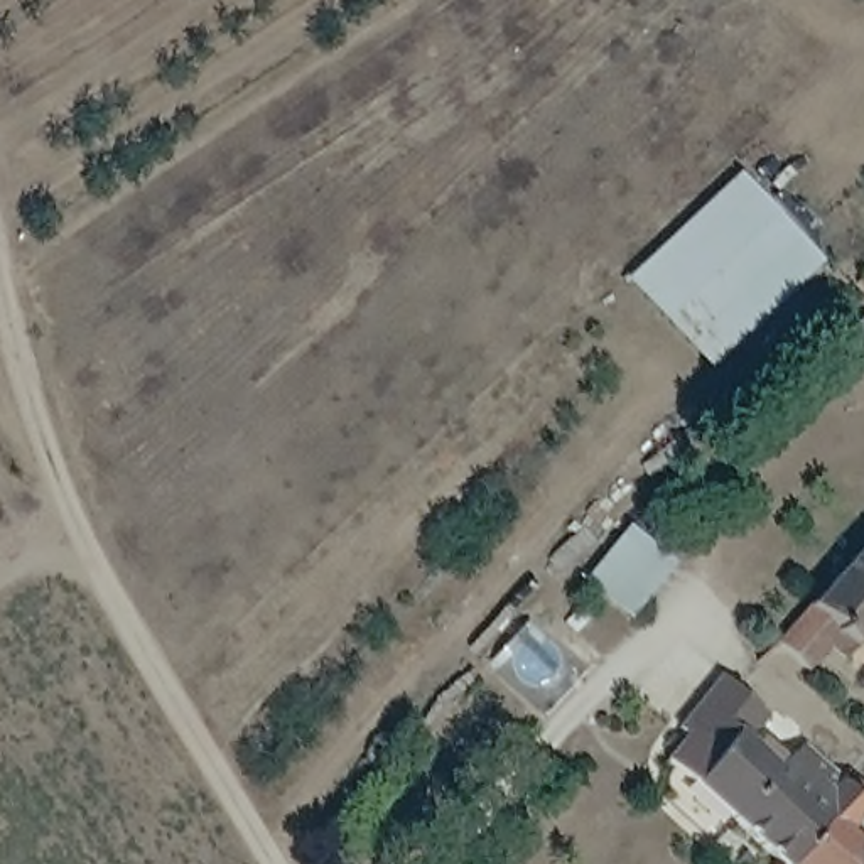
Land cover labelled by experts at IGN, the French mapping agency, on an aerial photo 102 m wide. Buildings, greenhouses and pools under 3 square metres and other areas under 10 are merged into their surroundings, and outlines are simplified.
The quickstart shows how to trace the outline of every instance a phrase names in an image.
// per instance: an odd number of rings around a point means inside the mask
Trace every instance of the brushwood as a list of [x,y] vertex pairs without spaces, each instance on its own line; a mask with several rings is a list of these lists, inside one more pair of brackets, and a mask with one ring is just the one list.
[[665,800],[675,793],[675,759],[675,753],[685,743],[685,732],[675,729],[668,732],[665,749],[658,753],[655,780]]
[[608,729],[631,732],[638,729],[645,699],[631,682],[621,678],[611,692],[611,702],[594,712],[597,719]]

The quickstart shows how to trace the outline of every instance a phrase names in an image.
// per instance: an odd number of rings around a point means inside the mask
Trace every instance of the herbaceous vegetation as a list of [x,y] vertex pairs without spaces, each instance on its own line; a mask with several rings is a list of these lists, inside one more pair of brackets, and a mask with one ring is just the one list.
[[797,439],[790,439],[790,446],[780,456],[759,466],[759,479],[770,486],[770,496],[783,503],[773,523],[756,523],[739,537],[719,537],[709,554],[678,554],[678,564],[665,581],[672,587],[689,570],[695,570],[709,581],[716,597],[736,614],[739,628],[749,618],[763,618],[763,594],[770,594],[776,581],[783,581],[786,574],[793,574],[797,564],[803,564],[817,567],[813,587],[783,618],[783,635],[807,614],[810,604],[817,604],[830,591],[840,570],[864,550],[864,378],[851,392],[827,402],[813,425],[807,425]]
[[439,732],[452,746],[466,746],[469,753],[479,749],[486,739],[496,739],[503,726],[533,729],[537,722],[533,716],[513,716],[510,709],[503,709],[500,695],[483,678],[489,672],[489,662],[523,628],[550,651],[574,651],[587,672],[601,668],[624,638],[631,638],[641,628],[635,614],[624,614],[621,608],[608,604],[604,614],[587,618],[574,614],[567,604],[570,594],[597,581],[597,567],[614,550],[614,543],[631,527],[645,530],[645,513],[651,500],[668,479],[675,479],[668,459],[695,459],[695,442],[702,439],[702,412],[712,412],[719,425],[726,425],[732,419],[732,392],[739,385],[753,385],[763,365],[776,365],[780,344],[793,341],[793,334],[807,324],[813,311],[830,311],[830,300],[844,294],[844,284],[864,294],[864,230],[851,226],[844,233],[820,233],[813,240],[827,257],[824,270],[803,284],[786,287],[776,307],[763,314],[759,324],[749,334],[743,334],[739,344],[729,348],[719,361],[705,358],[689,378],[678,381],[678,405],[668,415],[651,415],[638,435],[624,439],[624,446],[611,459],[611,469],[587,489],[584,503],[564,516],[560,533],[550,540],[550,547],[540,557],[530,557],[523,564],[523,574],[493,601],[493,608],[469,628],[469,635],[452,645],[449,655],[459,665],[442,682],[435,682],[419,705],[412,705],[408,719],[425,719],[429,732]]
[[830,763],[851,763],[864,773],[864,736],[830,709],[830,702],[817,689],[803,682],[803,668],[810,668],[800,648],[783,641],[773,645],[766,658],[753,655],[739,672],[763,699],[770,719],[793,719],[800,729],[797,736],[803,736],[810,746],[820,749]]
[[[213,138],[219,138],[246,115],[267,108],[270,101],[304,84],[314,71],[344,61],[371,34],[405,20],[422,0],[388,0],[358,24],[351,24],[334,47],[321,47],[311,37],[307,24],[317,7],[331,7],[338,0],[273,0],[270,17],[246,17],[243,37],[230,37],[216,17],[216,3],[236,10],[250,7],[253,0],[41,0],[41,10],[24,17],[10,37],[0,37],[0,209],[14,223],[7,230],[7,243],[14,257],[14,287],[20,300],[24,294],[44,290],[41,277],[57,263],[54,246],[61,246],[71,233],[98,219],[101,213],[122,206],[128,196],[145,192],[162,172],[182,165],[192,152],[206,149]],[[192,81],[172,88],[159,81],[155,61],[159,51],[186,54],[189,27],[206,30],[209,57],[203,61]],[[132,95],[132,105],[118,111],[101,135],[74,149],[51,145],[47,122],[68,118],[78,98],[101,98],[105,84],[125,88]],[[118,182],[111,196],[98,199],[88,192],[81,176],[88,152],[115,149],[118,135],[138,132],[152,118],[165,122],[182,105],[196,108],[199,125],[189,138],[176,142],[169,159],[152,162],[138,179]],[[54,236],[37,240],[24,226],[24,216],[51,203],[57,203],[61,226],[54,230]]]
[[689,864],[672,851],[672,837],[682,830],[662,807],[641,813],[624,797],[635,793],[641,783],[655,780],[658,753],[665,749],[668,732],[675,729],[678,712],[658,712],[645,699],[638,729],[631,732],[608,729],[597,719],[577,726],[560,749],[591,753],[594,770],[587,776],[587,786],[581,786],[560,813],[547,813],[540,820],[540,834],[550,837],[550,847],[537,851],[527,864]]

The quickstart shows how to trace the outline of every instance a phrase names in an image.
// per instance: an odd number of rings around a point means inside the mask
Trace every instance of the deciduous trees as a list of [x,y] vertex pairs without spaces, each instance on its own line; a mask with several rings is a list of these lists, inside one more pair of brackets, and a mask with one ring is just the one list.
[[797,564],[793,574],[786,574],[783,581],[776,581],[770,594],[763,594],[763,618],[749,618],[739,628],[753,655],[766,658],[773,645],[783,641],[783,635],[783,618],[813,587],[817,567],[803,564]]
[[381,651],[388,641],[398,638],[398,621],[381,601],[375,601],[354,611],[344,631],[351,638],[365,638],[375,651]]
[[74,149],[101,135],[118,111],[132,105],[132,95],[125,88],[105,84],[101,98],[78,98],[68,118],[47,122],[51,145]]
[[273,0],[253,0],[250,7],[236,10],[216,3],[216,17],[230,37],[243,37],[246,17],[270,17]]
[[672,837],[672,851],[689,864],[783,864],[766,851],[746,861],[732,847],[722,847],[712,834],[682,830]]
[[0,770],[0,864],[64,864],[51,854],[37,857],[37,840],[47,834],[54,810],[44,786],[34,783],[34,776],[27,776],[20,766]]
[[581,392],[587,392],[597,402],[618,392],[621,381],[618,365],[608,361],[591,365],[577,381]]
[[635,793],[624,797],[641,813],[662,807],[665,800],[655,780],[641,783]]
[[321,47],[334,47],[351,24],[358,24],[388,0],[338,0],[331,7],[317,7],[307,24],[311,37]]
[[111,196],[118,182],[138,179],[152,162],[169,159],[176,142],[189,138],[199,125],[196,108],[182,105],[165,122],[152,118],[138,132],[118,135],[115,149],[88,152],[81,176],[88,192],[98,199]]
[[513,530],[520,503],[503,479],[506,466],[493,459],[489,466],[473,469],[459,496],[432,503],[432,510],[422,516],[419,560],[425,567],[473,577],[483,564],[489,564],[493,550]]
[[581,425],[577,408],[567,398],[557,398],[554,419],[540,429],[540,439],[550,449],[560,449]]
[[763,365],[753,385],[739,385],[732,392],[732,419],[726,425],[719,425],[712,412],[702,412],[702,439],[695,442],[695,459],[668,459],[675,479],[668,479],[651,500],[645,513],[645,530],[658,540],[662,554],[678,554],[709,554],[719,537],[739,537],[756,523],[773,523],[783,503],[770,496],[770,486],[759,479],[759,466],[780,456],[790,446],[790,439],[797,439],[807,425],[813,425],[827,402],[851,392],[864,378],[864,294],[844,284],[844,294],[830,300],[830,311],[813,311],[807,324],[793,334],[793,341],[780,344],[776,365]]
[[341,662],[321,658],[314,675],[290,675],[287,682],[280,682],[280,689],[273,689],[273,695],[263,702],[267,712],[236,739],[233,759],[246,783],[270,783],[284,776],[294,759],[304,759],[317,746],[324,722],[338,722],[344,716],[344,699],[361,675],[358,651],[344,651]]
[[597,581],[570,594],[567,604],[574,614],[587,618],[604,614],[608,604],[604,587]]
[[24,17],[41,10],[41,0],[0,0],[0,37],[10,37]]
[[479,749],[469,753],[466,746],[452,746],[439,732],[429,732],[425,719],[408,719],[392,736],[385,766],[365,780],[365,786],[344,803],[344,810],[324,827],[290,837],[290,857],[297,864],[527,864],[537,851],[550,847],[550,837],[540,834],[540,820],[547,813],[560,813],[581,786],[587,786],[587,776],[594,770],[591,753],[560,749],[540,739],[540,722],[537,722],[533,729],[503,726],[496,739],[486,739]]
[[186,54],[159,51],[155,61],[159,81],[172,88],[192,81],[203,61],[209,57],[206,30],[189,27]]
[[837,672],[824,668],[810,668],[803,668],[803,682],[817,689],[830,702],[830,709],[864,736],[864,702],[847,695]]
[[24,216],[24,226],[37,240],[54,236],[54,230],[61,226],[57,203],[51,203]]

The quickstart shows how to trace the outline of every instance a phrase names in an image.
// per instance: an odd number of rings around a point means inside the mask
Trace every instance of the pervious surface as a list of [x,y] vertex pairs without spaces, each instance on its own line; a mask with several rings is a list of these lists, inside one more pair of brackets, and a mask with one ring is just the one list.
[[864,702],[864,628],[847,628],[847,638],[854,638],[857,651],[830,651],[824,668],[837,672],[847,695]]
[[611,702],[611,692],[621,678],[631,682],[645,699],[658,712],[678,712],[682,702],[716,665],[739,672],[753,655],[739,628],[736,614],[716,597],[709,581],[695,570],[689,570],[672,587],[658,601],[655,624],[641,628],[631,638],[624,638],[601,668],[587,672],[584,678],[574,678],[574,689],[540,722],[540,739],[560,749],[577,726],[597,719],[594,712]]
[[122,648],[145,675],[165,719],[192,753],[209,793],[219,800],[219,807],[240,830],[257,864],[297,864],[290,857],[290,837],[287,830],[273,834],[260,820],[246,783],[233,759],[206,732],[192,699],[169,668],[162,648],[155,645],[142,614],[135,611],[105,547],[91,530],[91,520],[78,500],[57,432],[44,405],[41,375],[20,300],[14,287],[14,257],[7,243],[7,230],[14,223],[0,209],[0,351],[20,402],[20,415],[41,476],[41,489],[34,493],[41,500],[37,510],[20,510],[0,530],[0,594],[17,591],[20,584],[30,584],[47,574],[64,574],[68,581],[88,587],[98,597]]

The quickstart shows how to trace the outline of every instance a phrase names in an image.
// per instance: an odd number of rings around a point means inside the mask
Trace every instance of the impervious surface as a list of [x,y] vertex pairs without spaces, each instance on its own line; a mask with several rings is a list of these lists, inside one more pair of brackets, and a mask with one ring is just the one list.
[[800,729],[793,719],[770,719],[766,729],[773,736],[790,739],[790,753],[803,753],[810,746],[803,736],[797,736]]
[[537,722],[540,722],[574,689],[574,678],[584,678],[587,672],[574,651],[550,651],[523,628],[489,662],[489,672],[483,678],[500,695],[503,709],[510,709],[513,716],[533,716]]
[[675,793],[665,800],[662,807],[682,830],[712,834],[722,847],[732,847],[746,861],[766,851],[783,864],[790,864],[793,857],[786,847],[773,844],[759,824],[736,810],[726,797],[719,797],[699,770],[675,759]]

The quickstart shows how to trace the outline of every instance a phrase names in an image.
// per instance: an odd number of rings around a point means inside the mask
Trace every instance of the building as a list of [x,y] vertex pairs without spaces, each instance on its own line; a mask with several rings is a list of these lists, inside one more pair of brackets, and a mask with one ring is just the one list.
[[685,743],[675,753],[675,759],[699,770],[719,797],[726,797],[736,810],[759,824],[773,844],[786,847],[793,857],[790,864],[864,864],[864,773],[851,763],[830,763],[820,749],[810,746],[803,753],[790,753],[790,739],[773,736],[766,729],[770,719],[763,699],[739,672],[716,665],[682,702],[678,712],[675,729],[685,732]]
[[763,189],[763,182],[753,172],[739,172],[702,213],[695,213],[651,260],[645,260],[635,270],[635,284],[675,321],[675,327],[705,358],[719,361],[729,348],[739,344],[743,334],[749,334],[759,324],[763,314],[776,307],[786,287],[803,284],[824,270],[827,257],[813,240],[800,230],[786,206]]
[[635,614],[641,628],[655,624],[658,601],[672,587],[665,581],[678,564],[678,554],[662,554],[658,540],[645,530],[631,527],[614,543],[614,550],[597,567],[597,581],[604,587],[608,604],[621,608],[624,614]]
[[854,638],[847,638],[847,628],[864,628],[864,550],[840,570],[830,591],[817,604],[810,604],[807,614],[783,635],[783,641],[800,648],[810,668],[824,668],[830,651],[857,651]]

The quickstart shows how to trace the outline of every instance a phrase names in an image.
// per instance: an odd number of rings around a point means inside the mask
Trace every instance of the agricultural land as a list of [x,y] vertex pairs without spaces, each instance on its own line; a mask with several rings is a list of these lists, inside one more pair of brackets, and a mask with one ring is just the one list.
[[165,719],[145,675],[122,648],[98,597],[88,587],[68,581],[64,574],[47,574],[30,584],[20,584],[17,591],[0,594],[0,770],[20,766],[27,776],[34,776],[34,783],[44,786],[54,810],[47,834],[37,840],[37,857],[51,854],[64,864],[257,864],[240,830],[219,807],[219,800],[209,793],[192,753]]
[[[844,233],[851,226],[864,230],[864,0],[422,0],[405,20],[371,34],[344,61],[314,71],[304,84],[270,101],[267,108],[246,115],[219,138],[213,138],[206,149],[192,152],[182,165],[162,172],[145,192],[128,196],[122,206],[101,213],[98,219],[71,233],[61,246],[54,246],[57,263],[41,277],[44,290],[24,294],[20,300],[41,375],[44,405],[57,432],[78,500],[91,520],[91,530],[105,547],[135,611],[142,614],[155,645],[162,648],[169,668],[192,699],[206,732],[233,759],[236,739],[267,712],[263,702],[273,695],[273,689],[280,689],[280,682],[287,682],[290,675],[314,675],[321,658],[341,662],[344,651],[358,651],[361,675],[344,699],[344,716],[338,722],[324,722],[317,746],[304,759],[294,759],[284,776],[270,783],[246,783],[260,820],[273,834],[287,830],[290,837],[324,827],[344,810],[344,803],[365,786],[365,780],[385,766],[392,736],[408,719],[412,705],[419,705],[435,682],[442,682],[459,665],[449,655],[452,645],[469,635],[469,628],[493,608],[493,601],[523,574],[523,564],[530,557],[540,557],[550,547],[550,540],[560,533],[564,516],[584,503],[587,489],[611,469],[611,459],[624,446],[624,439],[638,435],[651,415],[668,415],[678,405],[678,381],[689,378],[705,358],[675,327],[675,321],[635,284],[635,270],[645,260],[651,260],[695,213],[702,213],[739,172],[753,172],[763,182],[763,189],[786,206],[800,230],[813,240],[820,233]],[[618,365],[621,381],[618,392],[597,402],[587,392],[581,392],[577,381],[591,365],[608,361]],[[540,429],[554,419],[557,398],[567,398],[577,408],[581,425],[560,449],[550,449],[540,439]],[[493,459],[506,466],[503,479],[520,503],[513,530],[493,550],[489,564],[483,564],[473,577],[425,567],[419,560],[422,516],[432,510],[432,503],[459,496],[473,469],[489,466]],[[381,601],[398,621],[398,638],[388,641],[381,651],[375,651],[365,638],[351,638],[344,631],[354,611],[375,601]]]

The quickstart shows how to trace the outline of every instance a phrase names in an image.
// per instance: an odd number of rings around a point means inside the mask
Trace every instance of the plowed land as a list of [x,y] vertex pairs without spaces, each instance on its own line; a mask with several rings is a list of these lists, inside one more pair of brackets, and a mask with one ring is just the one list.
[[20,415],[20,402],[0,351],[0,530],[20,510],[37,510],[41,500],[34,493],[41,489],[41,476]]

